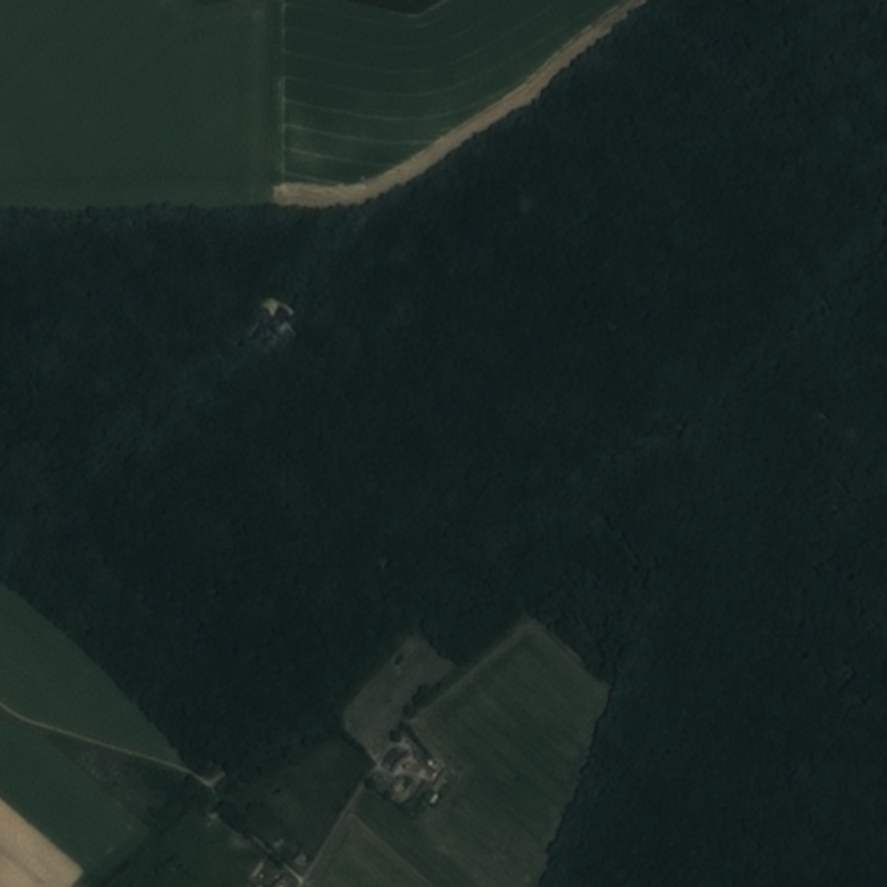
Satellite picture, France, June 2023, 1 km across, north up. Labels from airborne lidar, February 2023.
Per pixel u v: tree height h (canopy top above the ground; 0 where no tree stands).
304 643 23
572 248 17
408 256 22
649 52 25
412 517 26
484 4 0
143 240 23
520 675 0
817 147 24
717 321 23
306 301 22
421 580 26
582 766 0
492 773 0
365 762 0
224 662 24
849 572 30
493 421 23
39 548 23
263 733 27
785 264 30
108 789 0
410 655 0
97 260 25
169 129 0
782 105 26
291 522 26
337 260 26
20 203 0
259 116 0
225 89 0
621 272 21
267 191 0
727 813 27
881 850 28
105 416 27
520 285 17
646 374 25
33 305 25
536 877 0
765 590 23
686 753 25
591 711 0
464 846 0
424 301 22
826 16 25
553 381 23
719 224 26
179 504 22
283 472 24
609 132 22
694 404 19
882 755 27
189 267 26
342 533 25
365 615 23
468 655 21
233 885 0
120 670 22
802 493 24
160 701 23
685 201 23
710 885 29
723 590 22
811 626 22
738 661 24
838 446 23
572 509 25
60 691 0
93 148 0
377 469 22
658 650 24
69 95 0
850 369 21
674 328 24
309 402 22
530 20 0
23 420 26
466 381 25
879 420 21
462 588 27
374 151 0
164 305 27
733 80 22
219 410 28
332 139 0
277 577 21
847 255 26
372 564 24
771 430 25
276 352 22
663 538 26
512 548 26
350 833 0
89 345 26
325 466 23
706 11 23
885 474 25
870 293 22
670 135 20
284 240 25
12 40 0
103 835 0
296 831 0
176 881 0
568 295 20
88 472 25
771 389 22
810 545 23
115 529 22
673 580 27
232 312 25
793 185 25
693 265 25
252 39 0
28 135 0
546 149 24
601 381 24
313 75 0
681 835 21
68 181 0
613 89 25
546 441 22
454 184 22
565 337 23
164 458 26
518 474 25
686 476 22
